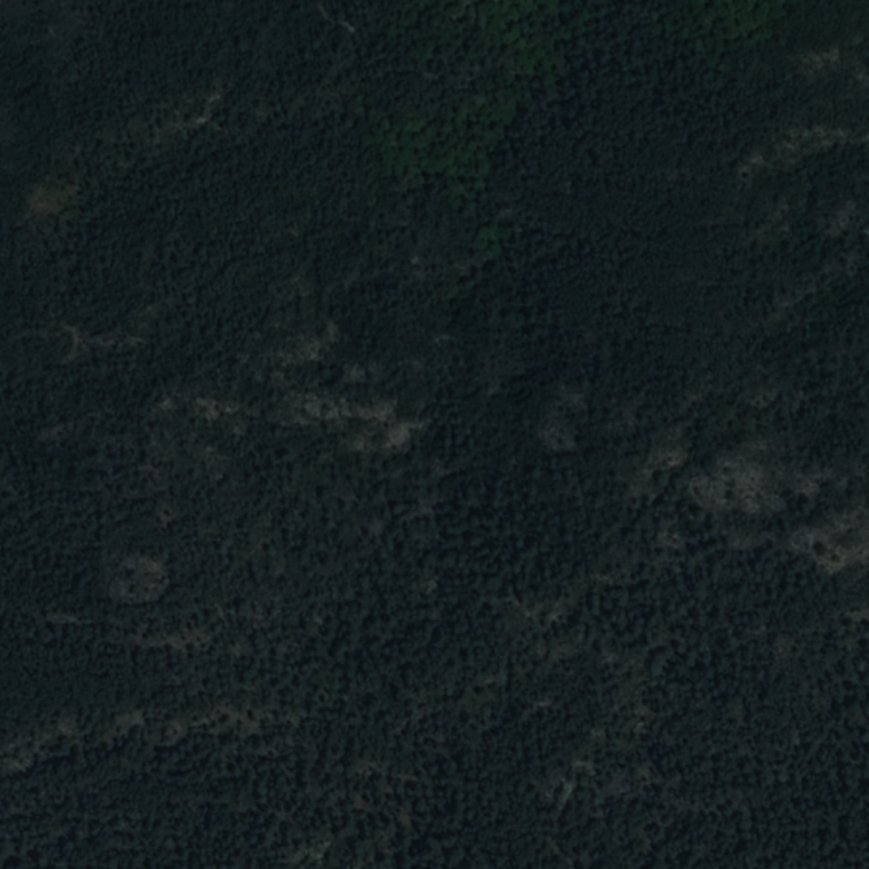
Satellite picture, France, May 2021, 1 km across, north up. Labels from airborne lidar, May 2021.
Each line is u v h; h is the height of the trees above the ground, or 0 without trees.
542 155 23
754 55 22
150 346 9
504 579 22
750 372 19
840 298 8
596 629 27
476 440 14
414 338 7
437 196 20
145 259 25
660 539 23
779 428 6
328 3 12
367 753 25
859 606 18
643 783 11
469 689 26
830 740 19
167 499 22
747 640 26
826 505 12
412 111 8
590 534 11
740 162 16
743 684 31
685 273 23
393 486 22
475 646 23
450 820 29
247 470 6
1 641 22
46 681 20
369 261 10
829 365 13
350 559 17
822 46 12
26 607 11
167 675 17
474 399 13
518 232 25
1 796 10
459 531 38
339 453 10
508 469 9
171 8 14
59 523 13
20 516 21
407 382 10
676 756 27
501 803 19
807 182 7
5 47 8
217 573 19
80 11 20
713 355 23
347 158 26
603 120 26
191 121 24
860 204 6
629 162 21
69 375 16
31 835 15
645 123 22
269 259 26
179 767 11
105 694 18
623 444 18
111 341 11
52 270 23
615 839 20
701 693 23
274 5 24
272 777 21
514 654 14
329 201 20
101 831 18
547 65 22
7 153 6
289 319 19
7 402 11
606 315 21
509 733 24
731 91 21
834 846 36
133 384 19
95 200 26
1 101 12
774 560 23
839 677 25
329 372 25
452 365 6
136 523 17
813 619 21
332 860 21
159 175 17
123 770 23
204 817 9
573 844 28
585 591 5
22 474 12
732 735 19
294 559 6
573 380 14
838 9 13
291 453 20
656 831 22
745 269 18
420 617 24
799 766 18
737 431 20
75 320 13
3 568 16
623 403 10
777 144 6
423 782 34
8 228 21
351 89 20
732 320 26
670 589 14
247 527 24
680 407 20
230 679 21
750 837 25
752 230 20
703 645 28
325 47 10
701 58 27
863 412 19
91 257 18
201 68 6
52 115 13
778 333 8
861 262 5
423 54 15
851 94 9
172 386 22
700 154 24
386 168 22
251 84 21
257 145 17
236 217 14
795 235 9
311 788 27
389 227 12
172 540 19
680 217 25
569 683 12
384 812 27
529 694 16
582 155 33
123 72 18
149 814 19
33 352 6
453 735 22
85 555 17
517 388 25
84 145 18
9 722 23
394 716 18
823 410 30
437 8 20
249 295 18
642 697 7
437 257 9
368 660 26
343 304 6
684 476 33
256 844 18
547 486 7
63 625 7
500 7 22
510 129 28
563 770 22
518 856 22
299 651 22
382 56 33
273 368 8
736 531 11
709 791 25
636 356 18
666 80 17
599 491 6
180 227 19
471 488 39
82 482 19
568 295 23
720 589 20
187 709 15
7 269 23
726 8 17
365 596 31
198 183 26
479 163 26
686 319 20
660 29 18
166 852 15
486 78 13
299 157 18
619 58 17
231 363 7
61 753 23
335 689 10
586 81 31
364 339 15
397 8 19
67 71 14
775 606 15
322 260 18
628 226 7
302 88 16
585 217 26
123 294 9
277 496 21
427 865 24
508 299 10
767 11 19
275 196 19
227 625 20
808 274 6
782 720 18
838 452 21
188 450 15
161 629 18
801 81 13
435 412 20
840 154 9
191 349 26
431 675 24
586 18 20
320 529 8
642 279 23
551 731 24
